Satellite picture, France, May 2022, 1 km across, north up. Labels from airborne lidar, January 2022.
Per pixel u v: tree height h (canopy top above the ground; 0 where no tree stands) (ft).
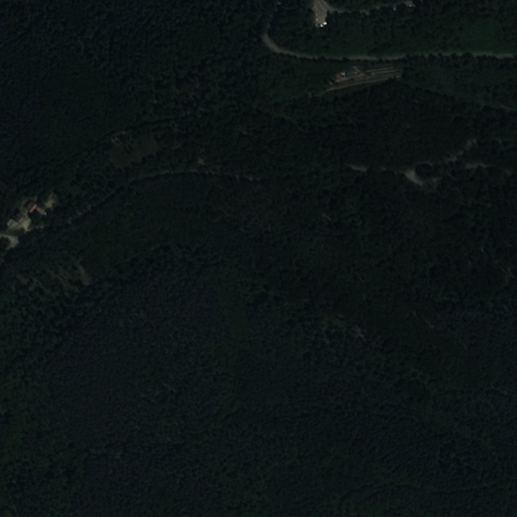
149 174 51
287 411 95
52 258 87
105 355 83
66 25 87
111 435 90
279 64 57
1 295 77
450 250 83
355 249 84
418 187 49
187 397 84
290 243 74
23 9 87
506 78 49
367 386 85
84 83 57
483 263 86
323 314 68
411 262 23
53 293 96
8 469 78
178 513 82
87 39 84
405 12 90
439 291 67
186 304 73
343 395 97
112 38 96
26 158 69
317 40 64
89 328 90
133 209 70
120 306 104
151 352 83
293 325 108
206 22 66
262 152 75
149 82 90
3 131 92
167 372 86
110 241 56
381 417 95
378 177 78
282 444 94
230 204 63
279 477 86
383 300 62
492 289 91
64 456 78
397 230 87
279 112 102
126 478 89
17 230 0
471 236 85
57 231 77
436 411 80
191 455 93
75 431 92
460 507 76
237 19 44
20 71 69
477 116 69
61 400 86
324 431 84
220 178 52
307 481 88
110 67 75
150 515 72
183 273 99
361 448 82
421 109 63
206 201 67
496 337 69
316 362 75
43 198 50
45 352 107
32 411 78
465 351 63
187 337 96
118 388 87
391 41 83
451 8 94
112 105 61
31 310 87
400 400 65
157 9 82
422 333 66
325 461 92
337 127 76
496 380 62
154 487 71
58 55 63
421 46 64
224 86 92
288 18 80
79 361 80
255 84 75
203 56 39
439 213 69
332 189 71
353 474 70
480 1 80
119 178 56
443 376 61
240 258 68
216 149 70
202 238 64
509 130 82
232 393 75
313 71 48
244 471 80
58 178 57
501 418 76
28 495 85
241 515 58
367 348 84
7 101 64
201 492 92
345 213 84
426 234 81
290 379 86
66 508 64
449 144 63
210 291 92
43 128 56
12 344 78
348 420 92
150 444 100
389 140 56
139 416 75
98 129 51
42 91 63
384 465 83
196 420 96
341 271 69
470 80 58
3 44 38
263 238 52
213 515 97
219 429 79
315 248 40
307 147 82
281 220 61
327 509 66
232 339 84
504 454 84
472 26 77
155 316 83
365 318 74
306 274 71
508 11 91
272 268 50
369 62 29
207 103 70
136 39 79
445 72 51
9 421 76
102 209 73
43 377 76
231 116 32
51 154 47
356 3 59
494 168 46
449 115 76
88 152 48
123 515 76
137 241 62
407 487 70
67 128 60
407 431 87
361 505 65
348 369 86
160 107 52
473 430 71
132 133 48
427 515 58
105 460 91
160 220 66
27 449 108
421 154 66
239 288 76
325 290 80
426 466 87
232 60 71
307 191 76
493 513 85
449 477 75
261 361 80
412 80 48
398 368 69
